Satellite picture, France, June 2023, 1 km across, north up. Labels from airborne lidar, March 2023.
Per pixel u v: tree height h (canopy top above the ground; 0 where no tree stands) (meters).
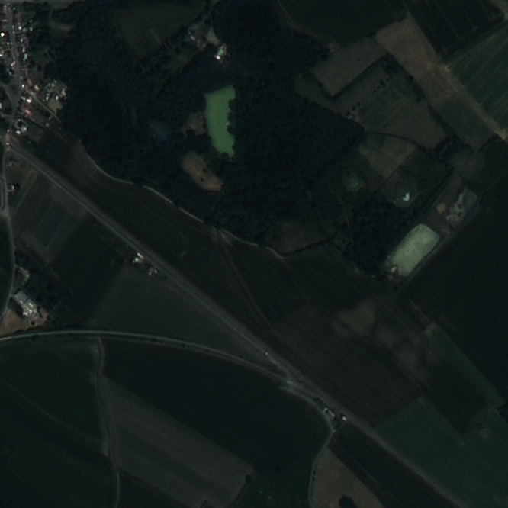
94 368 0
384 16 0
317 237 0
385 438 0
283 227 0
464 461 0
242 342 0
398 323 0
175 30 0
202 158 0
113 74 17
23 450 0
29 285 11
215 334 0
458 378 0
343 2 0
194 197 7
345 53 0
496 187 0
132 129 18
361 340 0
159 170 15
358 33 0
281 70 19
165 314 0
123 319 0
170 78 17
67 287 0
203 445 0
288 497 0
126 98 15
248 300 0
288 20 0
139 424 0
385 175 0
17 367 0
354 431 0
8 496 0
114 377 0
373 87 0
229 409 0
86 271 0
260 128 8
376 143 0
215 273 0
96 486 0
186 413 0
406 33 0
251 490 0
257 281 0
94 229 0
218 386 0
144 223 0
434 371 0
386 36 0
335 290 0
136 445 0
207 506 0
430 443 0
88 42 18
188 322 0
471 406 0
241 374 0
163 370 0
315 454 0
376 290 0
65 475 0
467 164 0
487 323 0
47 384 0
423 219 0
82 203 0
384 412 0
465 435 0
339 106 0
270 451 0
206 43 0
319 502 0
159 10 0
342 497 0
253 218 7
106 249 0
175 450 0
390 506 0
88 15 10
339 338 0
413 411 0
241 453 0
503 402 0
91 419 0
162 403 0
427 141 0
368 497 0
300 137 21
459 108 0
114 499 0
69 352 0
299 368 0
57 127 0
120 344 0
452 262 0
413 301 0
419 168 0
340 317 0
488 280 0
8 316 0
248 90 17
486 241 0
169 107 11
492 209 0
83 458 0
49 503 0
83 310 0
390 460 0
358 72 0
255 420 0
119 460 0
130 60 14
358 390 0
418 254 0
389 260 0
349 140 9
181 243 0
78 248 0
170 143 12
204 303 0
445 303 0
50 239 0
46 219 0
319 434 0
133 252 0
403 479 0
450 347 0
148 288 0
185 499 0
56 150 0
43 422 0
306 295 0
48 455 0
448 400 0
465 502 0
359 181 0
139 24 0
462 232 0
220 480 0
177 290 0
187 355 0
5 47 0
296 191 18
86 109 18
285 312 0
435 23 0
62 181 0
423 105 0
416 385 0
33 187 0
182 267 0
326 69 0
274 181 18
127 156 7
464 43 0
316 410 0
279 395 0
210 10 6
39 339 13
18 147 0
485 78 0
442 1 0
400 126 0
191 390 0
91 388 0
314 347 0
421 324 0
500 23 0
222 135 0
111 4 18
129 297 0
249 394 0
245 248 0
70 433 0
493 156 0
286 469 0
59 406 0
